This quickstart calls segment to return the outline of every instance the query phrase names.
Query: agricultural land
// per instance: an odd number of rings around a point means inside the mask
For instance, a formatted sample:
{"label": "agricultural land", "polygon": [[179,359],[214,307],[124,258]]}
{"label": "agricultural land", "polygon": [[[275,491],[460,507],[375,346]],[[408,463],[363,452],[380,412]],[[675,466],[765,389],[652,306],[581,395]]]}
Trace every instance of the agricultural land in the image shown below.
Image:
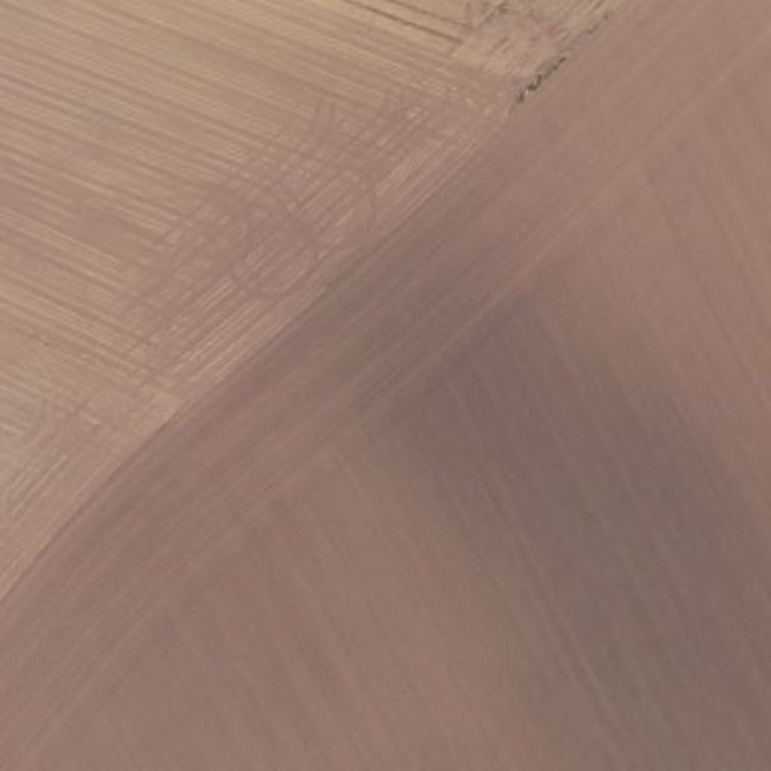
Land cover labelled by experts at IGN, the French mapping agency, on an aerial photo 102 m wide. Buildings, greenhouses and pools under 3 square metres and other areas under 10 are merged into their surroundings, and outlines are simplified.
{"label": "agricultural land", "polygon": [[771,0],[0,0],[0,771],[771,771]]}

